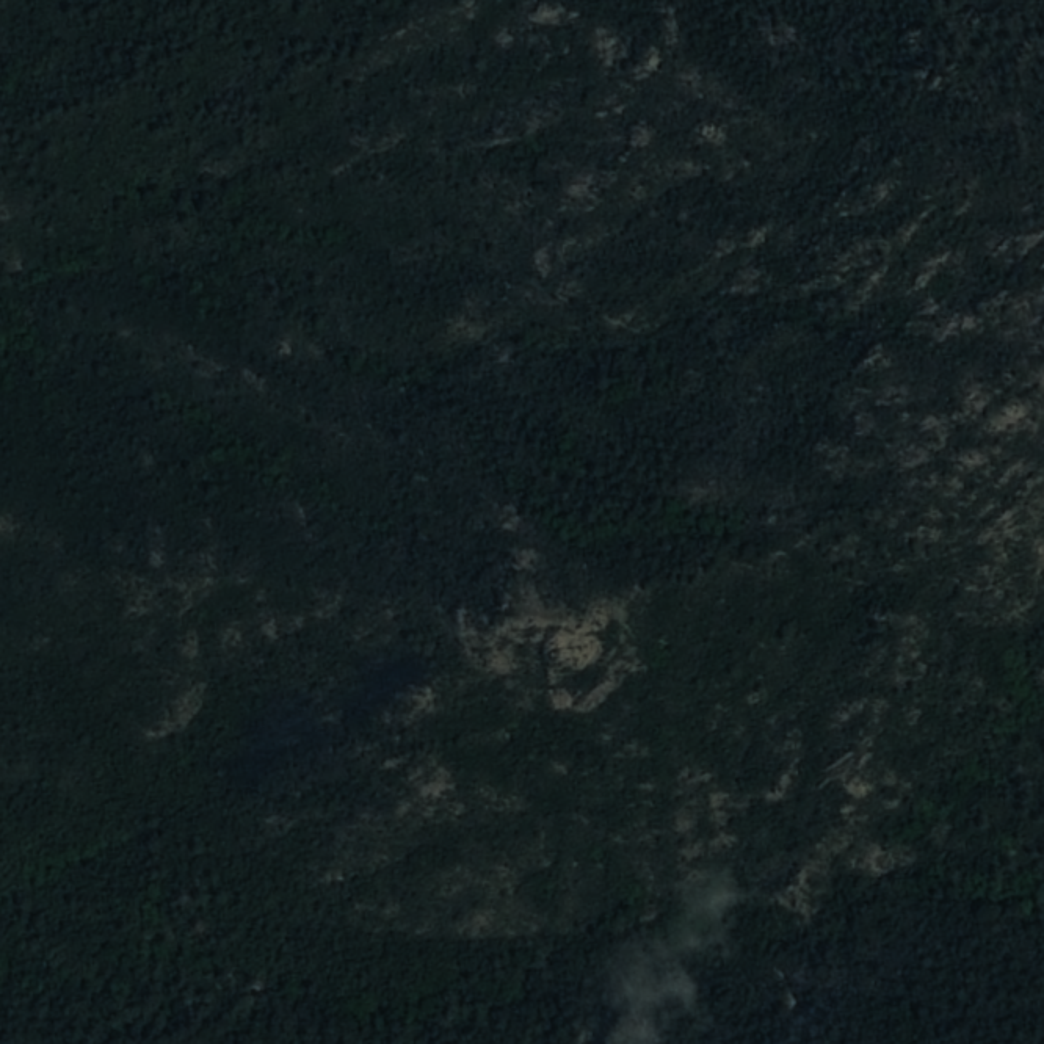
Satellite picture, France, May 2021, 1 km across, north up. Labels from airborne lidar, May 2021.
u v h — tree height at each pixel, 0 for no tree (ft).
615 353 43
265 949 48
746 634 25
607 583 23
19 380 18
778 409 40
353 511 27
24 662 22
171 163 31
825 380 31
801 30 29
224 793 21
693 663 24
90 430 26
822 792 23
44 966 43
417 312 21
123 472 21
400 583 21
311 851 37
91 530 28
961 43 49
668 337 25
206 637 27
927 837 24
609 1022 55
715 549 84
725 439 23
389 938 38
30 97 29
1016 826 28
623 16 23
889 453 22
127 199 73
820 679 32
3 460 23
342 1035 60
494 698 27
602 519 50
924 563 21
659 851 23
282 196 22
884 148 26
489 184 23
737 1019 21
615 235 19
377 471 22
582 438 28
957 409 25
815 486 18
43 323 31
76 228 21
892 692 28
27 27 36
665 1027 39
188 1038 78
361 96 21
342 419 29
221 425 32
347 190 22
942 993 34
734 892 45
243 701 34
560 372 26
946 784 40
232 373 26
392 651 30
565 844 27
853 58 17
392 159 35
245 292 34
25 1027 71
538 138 23
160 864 57
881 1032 39
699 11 40
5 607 24
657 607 25
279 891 42
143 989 32
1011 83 68
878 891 36
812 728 39
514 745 33
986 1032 37
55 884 38
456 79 35
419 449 29
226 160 21
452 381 21
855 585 30
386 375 32
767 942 43
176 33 55
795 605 31
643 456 27
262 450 31
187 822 34
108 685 34
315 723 22
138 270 28
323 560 21
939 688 34
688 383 33
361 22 25
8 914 63
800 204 22
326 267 19
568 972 36
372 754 19
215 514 25
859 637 28
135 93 21
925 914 23
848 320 31
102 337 33
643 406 34
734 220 34
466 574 41
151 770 24
